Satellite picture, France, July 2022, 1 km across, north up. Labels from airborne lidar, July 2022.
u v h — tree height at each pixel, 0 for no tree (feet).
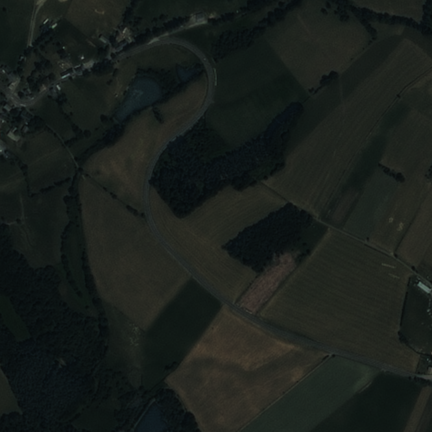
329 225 0
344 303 0
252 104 0
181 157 61
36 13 0
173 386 0
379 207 0
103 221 0
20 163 26
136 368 0
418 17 0
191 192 88
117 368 0
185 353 0
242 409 0
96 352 38
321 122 0
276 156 83
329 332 0
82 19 0
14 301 63
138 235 0
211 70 0
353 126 0
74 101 0
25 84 0
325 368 0
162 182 52
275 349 0
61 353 51
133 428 23
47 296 60
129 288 0
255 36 38
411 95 0
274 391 0
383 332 0
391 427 0
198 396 0
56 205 0
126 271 0
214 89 0
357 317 0
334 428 0
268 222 52
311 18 0
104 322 44
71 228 26
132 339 0
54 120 0
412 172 0
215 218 0
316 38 0
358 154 0
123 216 0
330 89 0
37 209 0
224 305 0
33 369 87
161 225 0
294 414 0
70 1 0
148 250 0
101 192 0
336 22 0
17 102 0
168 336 0
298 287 0
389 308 0
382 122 0
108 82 20
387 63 0
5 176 0
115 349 0
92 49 0
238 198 0
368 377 0
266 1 77
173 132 0
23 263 70
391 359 0
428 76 0
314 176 0
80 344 23
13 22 0
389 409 0
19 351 59
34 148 0
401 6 0
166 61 0
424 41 0
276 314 0
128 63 0
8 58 0
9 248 56
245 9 55
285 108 0
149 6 0
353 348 0
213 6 0
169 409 47
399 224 0
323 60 0
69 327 42
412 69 0
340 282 0
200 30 0
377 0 0
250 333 0
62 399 84
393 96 0
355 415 0
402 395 0
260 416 0
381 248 0
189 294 0
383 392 0
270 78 0
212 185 73
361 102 0
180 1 0
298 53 0
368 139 0
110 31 0
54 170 0
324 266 0
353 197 0
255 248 68
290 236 60
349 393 0
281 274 0
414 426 0
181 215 35
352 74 0
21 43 0
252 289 0
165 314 0
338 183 0
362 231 0
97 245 0
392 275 0
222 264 0
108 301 0
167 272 0
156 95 0
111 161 0
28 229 0
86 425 0
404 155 0
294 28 0
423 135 0
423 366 0
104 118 74
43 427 80
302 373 0
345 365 0
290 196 0
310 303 0
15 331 0
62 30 0
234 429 0
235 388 0
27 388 71
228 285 0
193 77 46
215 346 0
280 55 0
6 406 0
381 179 0
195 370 0
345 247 0
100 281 0
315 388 0
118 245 0
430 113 0
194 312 0
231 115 0
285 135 78
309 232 0
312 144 0
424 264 0
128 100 0
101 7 0
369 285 0
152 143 0
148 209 0
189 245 0
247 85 0
